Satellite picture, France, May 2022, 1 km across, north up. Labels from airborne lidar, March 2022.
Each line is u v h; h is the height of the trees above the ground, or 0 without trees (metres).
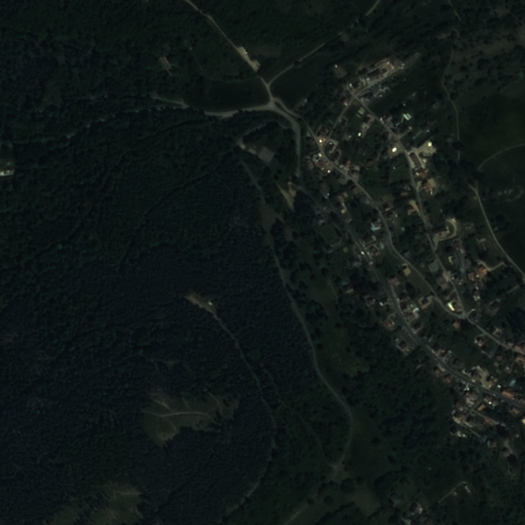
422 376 10
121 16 18
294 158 21
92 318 13
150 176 10
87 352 11
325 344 0
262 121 14
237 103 0
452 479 0
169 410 0
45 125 19
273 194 17
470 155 0
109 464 24
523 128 0
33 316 23
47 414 23
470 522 0
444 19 0
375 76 0
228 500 24
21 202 10
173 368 0
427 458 9
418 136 0
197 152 22
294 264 19
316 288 0
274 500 8
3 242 10
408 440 21
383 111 0
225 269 25
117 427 23
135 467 24
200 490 26
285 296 23
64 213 18
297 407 10
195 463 25
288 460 11
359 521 9
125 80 21
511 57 9
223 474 26
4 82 26
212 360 29
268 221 0
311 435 9
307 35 12
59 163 11
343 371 0
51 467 22
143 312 24
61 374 22
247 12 7
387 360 11
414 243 7
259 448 27
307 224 27
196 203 9
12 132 19
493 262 0
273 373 24
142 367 23
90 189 14
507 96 0
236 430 26
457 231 0
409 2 0
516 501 7
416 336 0
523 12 13
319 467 10
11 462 27
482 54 10
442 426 9
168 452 24
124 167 8
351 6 10
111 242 10
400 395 7
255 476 22
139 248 15
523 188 0
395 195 6
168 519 25
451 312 0
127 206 11
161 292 23
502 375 0
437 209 0
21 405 16
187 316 24
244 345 29
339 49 16
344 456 0
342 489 11
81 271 26
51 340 23
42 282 21
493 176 0
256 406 24
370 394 11
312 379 31
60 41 15
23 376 7
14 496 20
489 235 0
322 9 0
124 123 15
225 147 15
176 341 26
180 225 8
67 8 20
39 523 19
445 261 0
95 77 18
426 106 0
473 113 0
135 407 17
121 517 0
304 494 9
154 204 10
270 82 0
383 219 0
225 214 16
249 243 25
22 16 24
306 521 0
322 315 20
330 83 7
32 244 18
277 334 34
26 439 25
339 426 18
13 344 12
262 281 29
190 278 26
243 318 29
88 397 17
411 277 0
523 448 0
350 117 0
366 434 0
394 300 0
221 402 0
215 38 14
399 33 8
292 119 0
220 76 0
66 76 11
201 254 14
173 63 15
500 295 14
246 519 10
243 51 0
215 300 24
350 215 0
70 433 24
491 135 0
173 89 8
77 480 21
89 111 21
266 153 0
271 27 7
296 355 28
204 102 0
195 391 21
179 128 8
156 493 24
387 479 11
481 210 0
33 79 27
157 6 8
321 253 24
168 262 24
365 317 15
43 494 18
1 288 18
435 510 9
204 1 13
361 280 14
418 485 0
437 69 8
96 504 20
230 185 14
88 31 29
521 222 0
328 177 9
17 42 24
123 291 26
